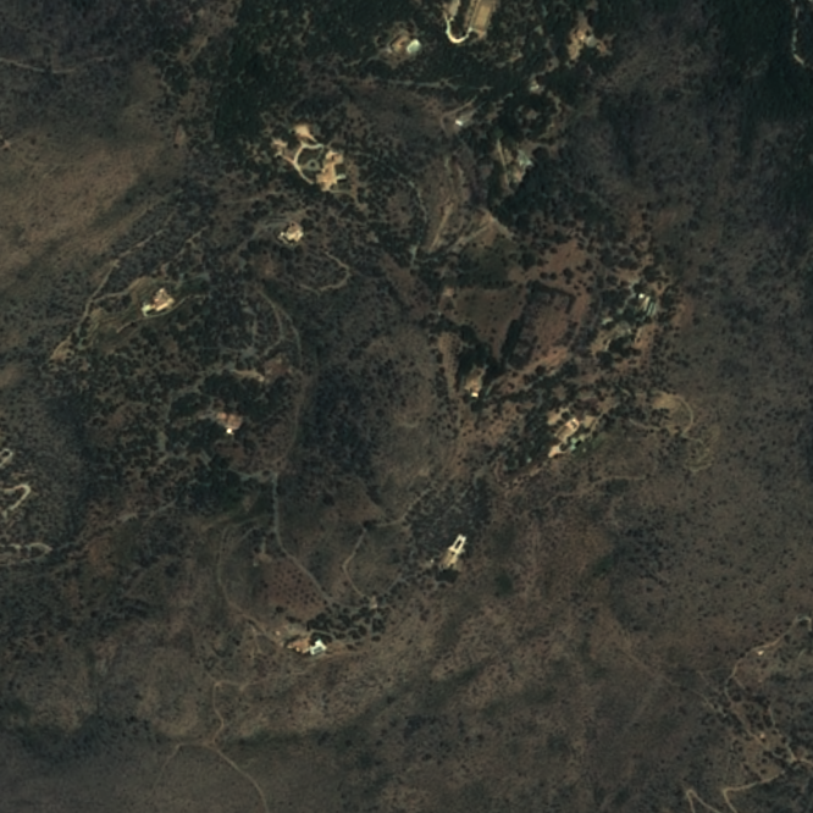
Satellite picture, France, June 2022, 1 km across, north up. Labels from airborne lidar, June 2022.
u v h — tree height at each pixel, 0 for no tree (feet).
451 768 0
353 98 28
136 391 20
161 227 32
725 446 0
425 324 36
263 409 36
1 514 31
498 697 0
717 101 36
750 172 32
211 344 29
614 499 0
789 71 34
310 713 0
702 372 0
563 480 0
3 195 0
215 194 36
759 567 0
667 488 0
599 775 0
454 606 0
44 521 25
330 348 24
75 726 0
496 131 56
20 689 25
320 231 27
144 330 29
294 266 28
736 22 52
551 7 41
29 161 0
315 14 31
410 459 0
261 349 21
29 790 0
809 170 21
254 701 0
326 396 40
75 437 32
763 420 29
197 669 0
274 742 0
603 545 0
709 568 0
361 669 0
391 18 27
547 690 0
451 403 21
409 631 0
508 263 20
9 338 0
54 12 36
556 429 25
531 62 44
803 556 0
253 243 29
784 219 22
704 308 0
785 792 35
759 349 38
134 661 0
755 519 0
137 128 0
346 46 30
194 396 32
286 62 24
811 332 29
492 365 34
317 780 0
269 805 0
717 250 39
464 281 42
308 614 0
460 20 22
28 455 34
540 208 28
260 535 21
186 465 18
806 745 25
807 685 0
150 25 29
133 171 0
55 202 0
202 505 25
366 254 21
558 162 31
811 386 24
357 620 21
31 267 0
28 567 28
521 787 0
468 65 31
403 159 28
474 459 21
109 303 28
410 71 24
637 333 38
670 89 26
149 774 0
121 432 22
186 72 26
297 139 23
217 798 0
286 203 26
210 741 0
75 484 45
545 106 33
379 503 25
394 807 0
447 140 22
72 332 27
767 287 28
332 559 0
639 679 0
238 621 0
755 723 33
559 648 0
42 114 25
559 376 25
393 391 19
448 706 0
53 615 26
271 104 25
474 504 28
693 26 18
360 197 21
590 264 28
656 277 31
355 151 20
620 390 22
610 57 27
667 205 21
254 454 20
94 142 0
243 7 27
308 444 34
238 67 34
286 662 0
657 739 0
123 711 0
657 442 0
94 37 28
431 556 28
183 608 0
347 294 0
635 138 25
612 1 32
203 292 37
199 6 22
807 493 0
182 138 0
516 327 35
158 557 30
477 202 42
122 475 32
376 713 0
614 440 0
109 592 0
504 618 0
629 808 0
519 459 34
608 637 0
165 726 0
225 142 37
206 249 27
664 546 24
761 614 0
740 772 0
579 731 0
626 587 0
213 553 0
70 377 34
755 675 0
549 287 28
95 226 0
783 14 48
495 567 0
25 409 29
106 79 28
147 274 37
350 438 38
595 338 36
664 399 0
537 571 0
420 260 22
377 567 0
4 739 0
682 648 0
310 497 26
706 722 18
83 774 0
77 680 0
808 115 22
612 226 36
